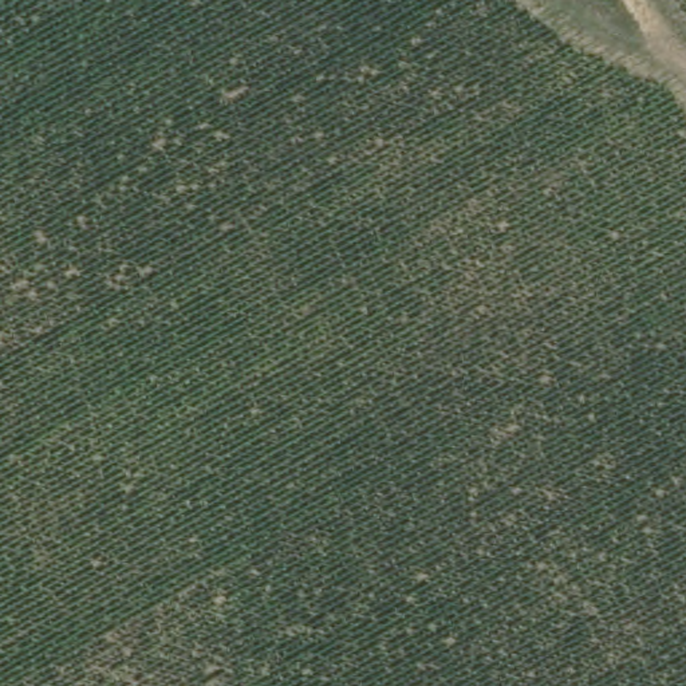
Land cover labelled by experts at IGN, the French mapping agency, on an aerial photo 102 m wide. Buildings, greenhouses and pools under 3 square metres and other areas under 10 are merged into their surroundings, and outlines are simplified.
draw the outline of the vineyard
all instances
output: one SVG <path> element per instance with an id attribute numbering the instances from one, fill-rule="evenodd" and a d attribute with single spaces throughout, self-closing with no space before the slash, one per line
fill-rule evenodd
<path id="1" fill-rule="evenodd" d="M 523 11 L 515 0 L 0 0 L 0 686 L 686 686 L 686 110 L 675 102 L 667 86 L 651 78 L 630 75 L 619 64 L 603 62 L 603 56 L 598 54 L 576 51 L 555 29 L 544 27 L 528 11 Z"/>

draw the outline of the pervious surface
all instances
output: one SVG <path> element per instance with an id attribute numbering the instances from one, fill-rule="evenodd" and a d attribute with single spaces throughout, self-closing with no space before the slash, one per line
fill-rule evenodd
<path id="1" fill-rule="evenodd" d="M 654 51 L 659 62 L 667 62 L 686 75 L 686 48 L 678 43 L 673 29 L 659 19 L 648 0 L 622 0 L 630 16 L 638 21 L 646 48 Z"/>

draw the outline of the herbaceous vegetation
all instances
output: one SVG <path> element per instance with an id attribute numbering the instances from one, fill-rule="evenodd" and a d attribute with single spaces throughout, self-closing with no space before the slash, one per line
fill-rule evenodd
<path id="1" fill-rule="evenodd" d="M 678 43 L 686 48 L 686 0 L 648 0 L 659 19 L 673 29 Z"/>
<path id="2" fill-rule="evenodd" d="M 555 29 L 576 51 L 598 54 L 603 56 L 603 62 L 619 64 L 630 75 L 651 78 L 667 86 L 675 102 L 686 110 L 686 75 L 667 62 L 659 62 L 654 51 L 646 48 L 638 21 L 630 16 L 622 0 L 515 0 L 523 11 L 528 11 L 544 27 Z"/>

